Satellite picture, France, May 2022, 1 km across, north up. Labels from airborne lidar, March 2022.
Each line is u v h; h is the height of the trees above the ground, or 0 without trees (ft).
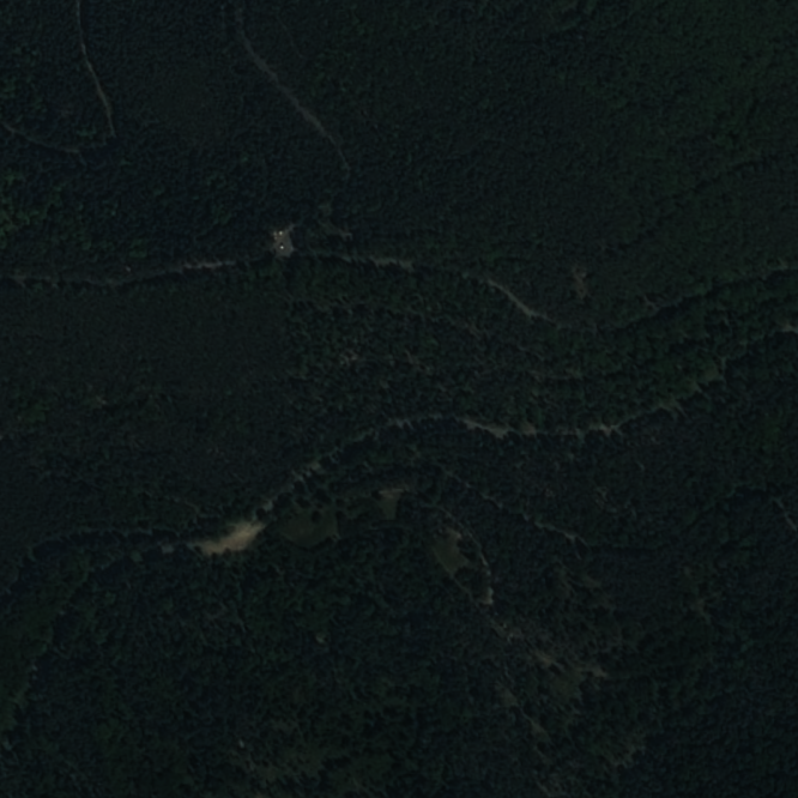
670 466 92
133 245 79
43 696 109
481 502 94
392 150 76
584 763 100
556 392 55
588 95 51
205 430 67
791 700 86
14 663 104
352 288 91
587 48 60
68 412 88
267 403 94
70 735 114
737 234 96
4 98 99
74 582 92
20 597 92
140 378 76
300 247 73
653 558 101
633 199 80
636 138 50
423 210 72
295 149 83
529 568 81
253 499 61
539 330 74
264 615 70
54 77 83
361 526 29
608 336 86
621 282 76
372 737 102
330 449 66
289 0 56
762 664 84
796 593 74
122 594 86
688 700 104
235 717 85
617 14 62
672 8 70
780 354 107
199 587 79
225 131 71
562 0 50
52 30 82
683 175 79
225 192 81
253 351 72
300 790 95
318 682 96
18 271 65
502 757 60
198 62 74
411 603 93
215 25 88
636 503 94
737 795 77
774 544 94
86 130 94
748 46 65
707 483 94
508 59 62
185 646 87
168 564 92
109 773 105
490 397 79
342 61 63
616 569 87
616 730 109
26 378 69
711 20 68
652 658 74
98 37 70
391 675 118
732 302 101
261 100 84
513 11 64
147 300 76
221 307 61
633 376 97
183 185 77
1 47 98
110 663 82
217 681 85
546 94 75
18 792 92
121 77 75
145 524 52
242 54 80
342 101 87
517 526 75
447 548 0
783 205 79
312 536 0
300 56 63
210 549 0
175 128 77
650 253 96
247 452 71
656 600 83
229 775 87
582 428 72
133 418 69
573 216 75
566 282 65
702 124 87
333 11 51
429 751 102
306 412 81
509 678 72
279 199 88
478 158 75
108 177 91
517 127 77
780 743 98
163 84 72
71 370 61
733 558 123
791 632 80
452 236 80
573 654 80
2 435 29
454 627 85
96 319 62
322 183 86
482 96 71
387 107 75
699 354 99
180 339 73
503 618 92
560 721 103
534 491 83
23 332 78
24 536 73
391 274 99
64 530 76
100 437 141
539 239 72
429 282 89
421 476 93
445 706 101
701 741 82
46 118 130
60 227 96
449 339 102
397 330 73
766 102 86
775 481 82
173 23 70
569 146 74
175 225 88
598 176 56
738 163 85
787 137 82
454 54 78
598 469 66
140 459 98
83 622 86
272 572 61
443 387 112
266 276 76
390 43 72
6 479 80
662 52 69
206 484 78
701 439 100
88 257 77
